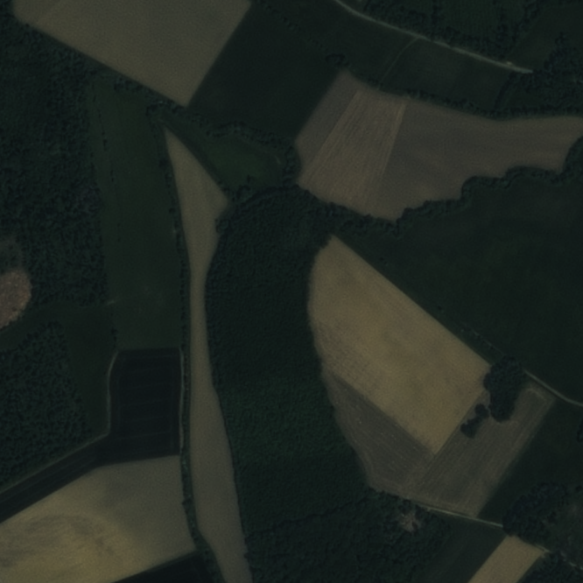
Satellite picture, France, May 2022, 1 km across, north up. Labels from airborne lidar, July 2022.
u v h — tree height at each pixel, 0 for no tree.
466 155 0
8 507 0
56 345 9
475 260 0
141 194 0
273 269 22
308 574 32
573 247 0
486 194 0
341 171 0
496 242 0
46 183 16
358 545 32
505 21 12
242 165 0
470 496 0
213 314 14
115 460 0
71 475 0
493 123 0
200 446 0
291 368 19
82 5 0
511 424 0
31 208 12
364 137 0
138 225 0
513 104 0
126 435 0
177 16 0
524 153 0
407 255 0
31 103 17
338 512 22
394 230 17
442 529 15
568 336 0
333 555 33
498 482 0
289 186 12
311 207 18
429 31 15
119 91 16
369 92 0
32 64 11
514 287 0
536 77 18
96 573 0
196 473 0
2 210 21
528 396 0
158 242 0
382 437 0
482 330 0
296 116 0
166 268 0
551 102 19
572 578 15
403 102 0
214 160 0
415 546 16
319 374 11
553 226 0
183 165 0
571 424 0
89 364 0
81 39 0
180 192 0
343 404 0
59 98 10
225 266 20
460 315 0
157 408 0
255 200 15
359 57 0
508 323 0
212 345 12
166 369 0
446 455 0
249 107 0
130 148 0
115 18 0
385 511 17
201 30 0
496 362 0
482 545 0
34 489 0
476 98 0
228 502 0
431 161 0
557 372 0
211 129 7
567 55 27
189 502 12
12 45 25
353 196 0
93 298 15
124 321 0
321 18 0
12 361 18
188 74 0
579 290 0
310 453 18
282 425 20
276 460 15
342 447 16
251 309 18
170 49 0
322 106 0
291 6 0
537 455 0
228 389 17
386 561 29
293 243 24
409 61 0
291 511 17
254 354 18
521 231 0
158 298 0
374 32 0
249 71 0
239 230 19
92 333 0
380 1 16
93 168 17
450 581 0
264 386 18
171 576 0
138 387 0
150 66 0
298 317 17
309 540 32
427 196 0
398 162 0
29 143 18
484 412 21
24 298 0
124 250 0
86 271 17
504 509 0
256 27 0
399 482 0
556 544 0
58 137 21
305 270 20
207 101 0
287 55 0
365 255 0
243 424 18
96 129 0
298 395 19
